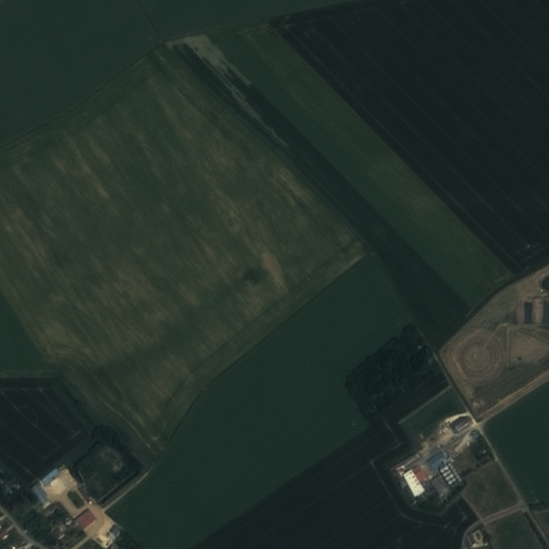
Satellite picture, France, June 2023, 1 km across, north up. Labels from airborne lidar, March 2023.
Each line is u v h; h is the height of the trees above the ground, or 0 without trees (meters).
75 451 0
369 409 12
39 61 0
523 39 0
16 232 0
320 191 0
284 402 0
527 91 0
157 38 0
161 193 0
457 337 0
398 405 0
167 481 0
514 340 0
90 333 0
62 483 0
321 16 0
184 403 0
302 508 0
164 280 0
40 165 0
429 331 0
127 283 0
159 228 0
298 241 0
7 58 0
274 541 0
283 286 0
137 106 0
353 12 0
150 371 0
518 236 0
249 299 0
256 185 0
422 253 0
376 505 0
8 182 0
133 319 0
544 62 0
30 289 0
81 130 0
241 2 0
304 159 0
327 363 0
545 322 0
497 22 0
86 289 0
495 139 0
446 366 0
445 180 0
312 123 0
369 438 0
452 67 0
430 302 0
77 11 0
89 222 0
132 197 0
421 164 0
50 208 0
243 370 0
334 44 0
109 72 0
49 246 0
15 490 12
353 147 0
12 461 0
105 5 0
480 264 0
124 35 0
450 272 0
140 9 0
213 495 0
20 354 0
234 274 0
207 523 0
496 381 0
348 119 0
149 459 0
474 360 0
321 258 0
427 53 0
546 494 0
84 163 0
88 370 0
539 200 0
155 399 0
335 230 0
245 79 0
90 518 0
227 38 0
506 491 0
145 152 0
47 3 0
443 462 0
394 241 0
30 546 0
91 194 0
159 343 0
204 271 0
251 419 0
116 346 0
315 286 0
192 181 0
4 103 0
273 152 0
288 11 0
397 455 0
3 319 0
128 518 0
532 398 0
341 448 0
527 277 0
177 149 0
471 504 0
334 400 0
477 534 0
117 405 0
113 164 0
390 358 13
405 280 0
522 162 0
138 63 0
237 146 0
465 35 0
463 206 0
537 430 0
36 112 0
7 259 0
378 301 0
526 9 0
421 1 0
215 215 0
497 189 0
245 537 0
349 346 0
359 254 0
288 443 0
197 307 0
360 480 0
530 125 0
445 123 0
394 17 0
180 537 0
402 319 0
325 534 0
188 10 0
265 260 0
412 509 0
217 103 0
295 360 0
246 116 0
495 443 0
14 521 0
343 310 0
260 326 0
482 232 0
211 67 0
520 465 0
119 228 0
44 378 0
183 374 0
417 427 0
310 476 0
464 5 0
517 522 0
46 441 0
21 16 0
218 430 0
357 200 0
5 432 0
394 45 0
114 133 0
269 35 0
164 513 0
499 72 0
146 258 0
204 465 0
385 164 0
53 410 0
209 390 0
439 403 0
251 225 0
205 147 0
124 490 0
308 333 0
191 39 0
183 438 0
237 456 0
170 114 0
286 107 0
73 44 0
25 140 0
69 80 0
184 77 0
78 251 0
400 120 0
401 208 0
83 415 6
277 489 0
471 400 0
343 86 0
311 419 0
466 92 0
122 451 12
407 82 0
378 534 0
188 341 0
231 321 0
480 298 0
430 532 0
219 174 0
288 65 0
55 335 0
